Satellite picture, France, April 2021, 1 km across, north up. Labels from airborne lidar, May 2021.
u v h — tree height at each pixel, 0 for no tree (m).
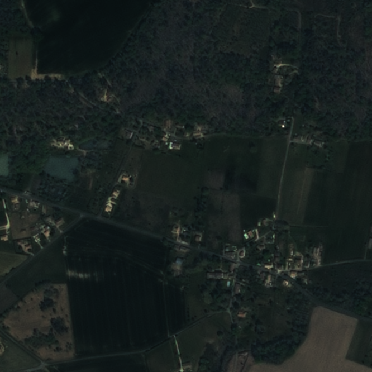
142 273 0
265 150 0
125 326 0
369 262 0
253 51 6
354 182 0
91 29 0
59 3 0
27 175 0
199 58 12
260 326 19
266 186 0
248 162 0
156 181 0
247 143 0
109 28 0
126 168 0
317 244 0
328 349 0
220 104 17
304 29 0
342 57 9
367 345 0
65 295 0
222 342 11
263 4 15
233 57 15
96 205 8
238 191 0
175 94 10
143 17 0
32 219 0
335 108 11
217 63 13
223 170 0
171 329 0
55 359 0
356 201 0
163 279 0
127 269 0
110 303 0
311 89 14
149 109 22
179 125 0
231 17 10
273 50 19
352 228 0
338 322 0
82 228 0
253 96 15
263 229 0
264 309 0
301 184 0
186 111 18
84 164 9
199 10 24
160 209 0
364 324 0
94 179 0
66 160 0
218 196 0
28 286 0
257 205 0
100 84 16
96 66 0
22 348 0
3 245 0
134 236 0
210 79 20
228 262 9
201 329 0
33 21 0
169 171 0
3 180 6
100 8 0
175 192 0
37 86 19
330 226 0
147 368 0
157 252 0
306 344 0
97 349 0
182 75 24
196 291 0
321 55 21
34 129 14
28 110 16
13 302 0
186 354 0
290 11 17
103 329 0
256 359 20
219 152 0
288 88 20
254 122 15
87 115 13
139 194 0
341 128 16
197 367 0
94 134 18
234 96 12
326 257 0
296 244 0
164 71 24
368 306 14
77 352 0
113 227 0
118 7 0
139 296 0
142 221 0
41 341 9
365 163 0
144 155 0
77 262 0
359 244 0
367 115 11
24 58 0
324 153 0
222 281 9
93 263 0
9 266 0
